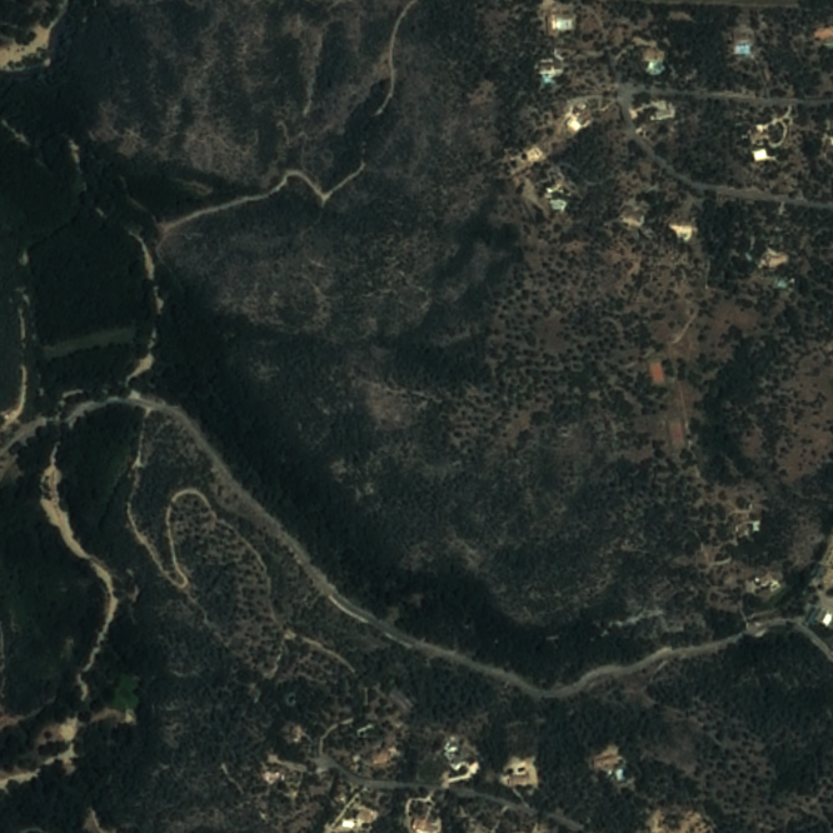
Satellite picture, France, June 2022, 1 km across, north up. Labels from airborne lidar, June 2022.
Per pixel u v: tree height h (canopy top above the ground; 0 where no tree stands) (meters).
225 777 8
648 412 14
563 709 10
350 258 7
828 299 12
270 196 6
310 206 7
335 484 7
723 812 10
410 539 13
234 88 5
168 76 7
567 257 9
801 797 9
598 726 19
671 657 0
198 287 7
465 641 10
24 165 11
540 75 8
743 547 11
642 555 7
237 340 8
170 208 10
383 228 5
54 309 16
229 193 7
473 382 13
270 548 8
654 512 8
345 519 6
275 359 6
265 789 8
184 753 14
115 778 8
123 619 14
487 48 6
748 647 22
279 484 10
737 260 11
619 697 10
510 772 6
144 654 14
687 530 16
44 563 6
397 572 16
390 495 6
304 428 8
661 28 5
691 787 10
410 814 6
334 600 0
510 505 9
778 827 16
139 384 15
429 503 13
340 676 13
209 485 6
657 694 8
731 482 9
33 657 12
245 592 7
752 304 8
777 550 12
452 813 11
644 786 14
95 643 16
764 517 7
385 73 0
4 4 23
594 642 12
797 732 18
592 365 9
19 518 5
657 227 7
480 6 6
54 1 16
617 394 7
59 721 15
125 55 9
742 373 7
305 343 7
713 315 11
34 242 6
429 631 11
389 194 6
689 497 7
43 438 17
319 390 7
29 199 9
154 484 8
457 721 17
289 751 9
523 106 8
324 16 6
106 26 8
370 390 0
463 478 9
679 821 15
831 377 0
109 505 10
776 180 14
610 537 13
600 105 0
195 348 9
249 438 17
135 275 19
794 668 8
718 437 16
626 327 7
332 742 7
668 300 6
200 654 14
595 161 12
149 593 9
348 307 7
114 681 9
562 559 7
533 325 12
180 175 10
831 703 13
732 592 7
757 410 9
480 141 10
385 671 16
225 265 7
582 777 14
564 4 14
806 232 6
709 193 11
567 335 9
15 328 9
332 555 12
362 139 10
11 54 0
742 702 16
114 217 13
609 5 7
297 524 13
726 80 16
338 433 9
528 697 8
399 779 9
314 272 7
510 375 9
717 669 8
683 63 10
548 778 13
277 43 5
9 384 5
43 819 11
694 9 9
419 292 0
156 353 20
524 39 7
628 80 8
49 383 15
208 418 19
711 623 8
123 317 16
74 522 15
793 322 13
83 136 18
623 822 18
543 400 11
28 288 10
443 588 13
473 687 10
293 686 11
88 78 14
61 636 7
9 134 14
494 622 13
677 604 8
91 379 26
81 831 17
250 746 14
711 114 12
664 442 7
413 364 7
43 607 7
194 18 6
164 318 15
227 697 17
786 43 6
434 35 7
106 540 14
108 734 16
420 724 13
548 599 12
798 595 7
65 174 11
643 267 7
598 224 12
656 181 7
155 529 15
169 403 9
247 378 7
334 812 8
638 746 20
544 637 11
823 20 11
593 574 12
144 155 7
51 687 14
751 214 11
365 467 6
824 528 9
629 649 10
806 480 8
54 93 25
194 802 6
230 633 8
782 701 17
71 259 19
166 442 6
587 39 9
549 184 9
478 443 13
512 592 7
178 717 6
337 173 7
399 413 0
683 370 8
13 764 12
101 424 9
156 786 13
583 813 14
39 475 9
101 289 11
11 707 9
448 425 8
